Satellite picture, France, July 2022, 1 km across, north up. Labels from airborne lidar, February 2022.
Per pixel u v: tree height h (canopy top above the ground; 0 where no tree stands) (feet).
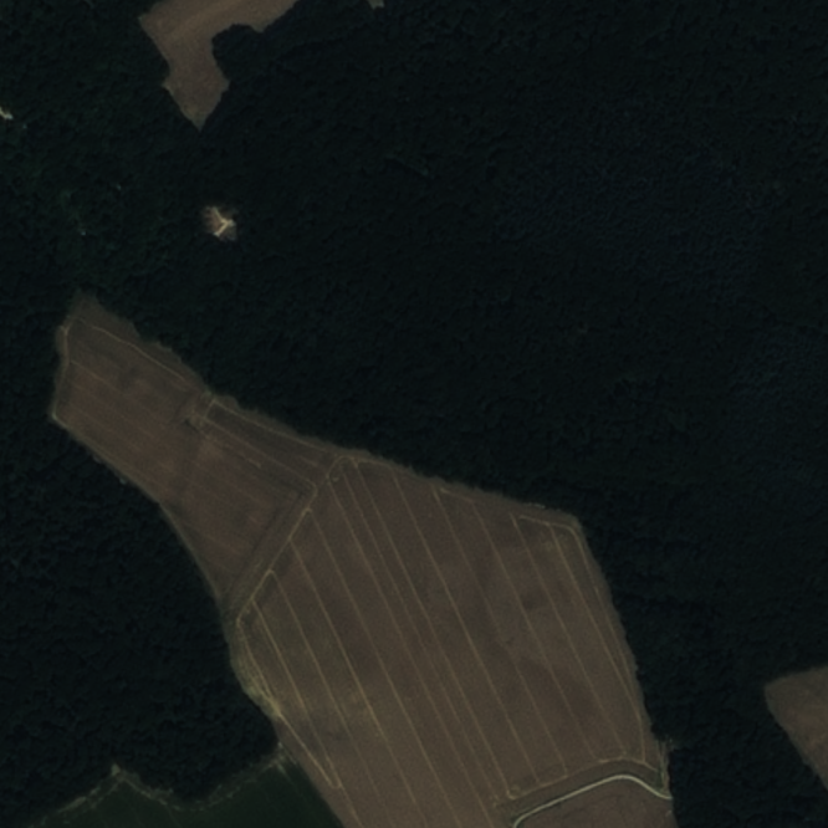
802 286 67
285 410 84
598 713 0
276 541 0
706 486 76
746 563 105
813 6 80
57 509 68
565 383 83
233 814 0
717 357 79
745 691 99
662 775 0
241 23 0
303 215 71
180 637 82
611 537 38
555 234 71
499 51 84
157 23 0
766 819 94
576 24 72
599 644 0
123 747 48
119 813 0
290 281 76
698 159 54
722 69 84
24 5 28
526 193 70
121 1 62
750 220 72
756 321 70
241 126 73
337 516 0
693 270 72
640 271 66
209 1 0
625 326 80
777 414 59
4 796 65
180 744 58
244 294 60
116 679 85
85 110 51
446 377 87
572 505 60
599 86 67
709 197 83
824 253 72
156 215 67
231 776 47
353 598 0
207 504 0
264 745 62
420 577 0
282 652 0
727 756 90
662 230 75
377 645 0
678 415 71
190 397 0
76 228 54
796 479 52
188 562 60
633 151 66
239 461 0
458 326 91
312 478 0
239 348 77
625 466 70
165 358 0
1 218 94
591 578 0
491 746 0
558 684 0
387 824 0
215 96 0
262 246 63
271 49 73
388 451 81
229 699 71
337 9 75
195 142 65
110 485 74
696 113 64
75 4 73
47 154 64
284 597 0
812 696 0
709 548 96
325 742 0
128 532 83
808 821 68
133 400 0
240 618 0
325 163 70
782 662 78
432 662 0
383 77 83
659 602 89
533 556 0
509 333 85
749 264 81
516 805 0
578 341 89
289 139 72
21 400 78
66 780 77
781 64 86
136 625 85
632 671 0
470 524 0
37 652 91
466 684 0
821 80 91
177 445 0
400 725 0
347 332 82
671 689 94
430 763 0
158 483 0
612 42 80
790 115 63
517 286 72
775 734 77
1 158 82
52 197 66
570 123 62
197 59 0
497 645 0
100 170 68
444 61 92
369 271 79
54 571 92
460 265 88
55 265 80
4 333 85
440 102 73
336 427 88
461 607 0
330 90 87
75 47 81
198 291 69
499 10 90
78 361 0
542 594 0
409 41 82
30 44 17
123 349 0
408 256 84
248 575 0
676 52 86
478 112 80
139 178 76
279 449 0
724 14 88
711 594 105
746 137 66
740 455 52
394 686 0
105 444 0
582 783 0
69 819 0
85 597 87
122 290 37
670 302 83
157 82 28
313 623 0
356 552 0
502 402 87
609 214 73
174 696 63
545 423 70
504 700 0
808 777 72
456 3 84
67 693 77
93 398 0
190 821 0
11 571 94
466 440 80
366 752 0
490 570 0
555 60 71
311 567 0
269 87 72
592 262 71
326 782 0
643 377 80
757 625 86
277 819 0
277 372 82
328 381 87
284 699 0
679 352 85
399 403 89
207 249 68
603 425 77
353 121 74
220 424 0
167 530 62
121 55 62
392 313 50
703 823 59
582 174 68
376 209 82
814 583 71
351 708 0
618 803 0
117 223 28
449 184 75
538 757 0
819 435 64
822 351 64
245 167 80
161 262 37
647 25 65
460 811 0
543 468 84
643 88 61
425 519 0
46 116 51
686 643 105
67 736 73
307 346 82
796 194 88
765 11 91
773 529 88
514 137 73
